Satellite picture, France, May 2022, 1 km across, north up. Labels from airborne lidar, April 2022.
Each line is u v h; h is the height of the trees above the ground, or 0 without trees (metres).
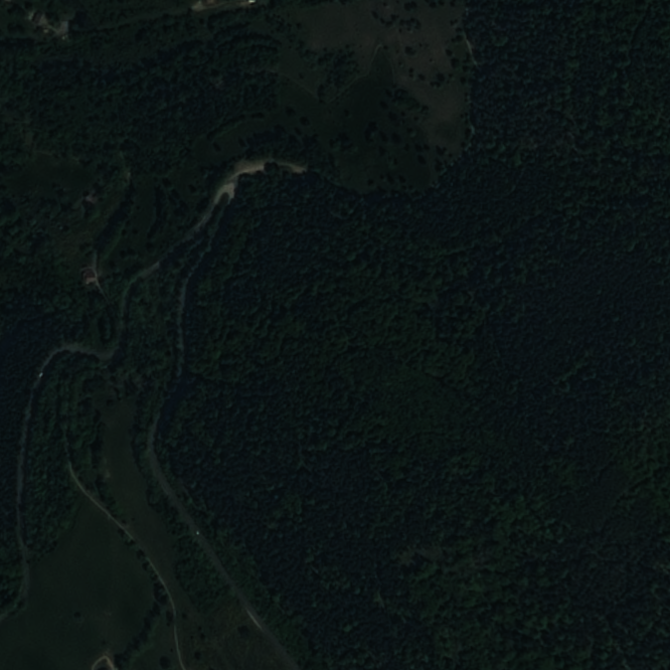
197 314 18
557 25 28
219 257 18
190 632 0
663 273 20
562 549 24
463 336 19
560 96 23
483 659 19
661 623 22
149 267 0
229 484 25
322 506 25
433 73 0
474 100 15
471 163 21
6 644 0
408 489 21
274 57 9
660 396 13
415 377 12
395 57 0
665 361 17
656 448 14
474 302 25
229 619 0
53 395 20
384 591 22
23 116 10
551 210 17
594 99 14
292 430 26
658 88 8
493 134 19
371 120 0
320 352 20
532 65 22
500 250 20
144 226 0
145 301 21
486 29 26
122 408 0
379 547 22
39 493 22
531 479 13
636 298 26
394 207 25
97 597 0
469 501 24
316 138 7
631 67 18
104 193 18
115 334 25
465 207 18
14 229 8
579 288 22
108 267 0
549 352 25
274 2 25
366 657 31
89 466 9
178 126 20
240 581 11
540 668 15
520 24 33
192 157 14
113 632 0
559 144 26
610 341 21
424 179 0
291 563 30
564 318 22
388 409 13
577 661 8
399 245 13
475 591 16
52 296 23
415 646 21
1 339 0
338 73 9
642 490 11
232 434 28
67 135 8
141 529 0
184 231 14
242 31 13
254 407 26
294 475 23
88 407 19
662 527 9
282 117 0
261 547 24
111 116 9
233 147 0
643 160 23
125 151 21
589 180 16
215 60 10
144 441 7
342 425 24
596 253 24
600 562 24
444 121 0
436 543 23
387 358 16
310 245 20
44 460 16
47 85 14
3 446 23
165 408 0
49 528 20
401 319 27
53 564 0
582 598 28
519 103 23
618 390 25
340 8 0
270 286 20
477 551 24
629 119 26
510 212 17
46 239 17
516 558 25
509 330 23
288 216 20
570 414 20
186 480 26
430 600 20
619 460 9
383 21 10
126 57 0
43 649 0
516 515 26
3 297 9
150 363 24
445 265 20
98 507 0
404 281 26
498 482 15
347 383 15
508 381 20
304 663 11
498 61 31
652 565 9
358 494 22
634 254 21
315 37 0
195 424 30
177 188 0
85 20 27
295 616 26
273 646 0
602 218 24
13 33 17
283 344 21
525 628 27
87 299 6
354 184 0
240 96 14
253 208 14
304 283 20
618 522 17
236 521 30
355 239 13
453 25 7
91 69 10
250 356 24
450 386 15
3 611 19
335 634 26
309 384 20
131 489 0
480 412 14
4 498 27
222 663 0
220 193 0
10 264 9
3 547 35
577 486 13
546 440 21
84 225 0
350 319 21
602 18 14
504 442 13
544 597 30
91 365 15
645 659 31
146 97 9
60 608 0
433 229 20
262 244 23
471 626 22
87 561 0
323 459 25
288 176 7
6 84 16
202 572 9
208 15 0
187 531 15
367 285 24
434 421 14
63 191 9
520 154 14
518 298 33
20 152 20
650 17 13
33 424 15
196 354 15
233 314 21
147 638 16
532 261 26
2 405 25
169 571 0
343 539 25
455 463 19
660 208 20
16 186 0
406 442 16
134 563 0
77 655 0
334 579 25
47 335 24
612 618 27
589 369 19
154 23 12
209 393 32
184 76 10
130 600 0
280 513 27
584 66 15
